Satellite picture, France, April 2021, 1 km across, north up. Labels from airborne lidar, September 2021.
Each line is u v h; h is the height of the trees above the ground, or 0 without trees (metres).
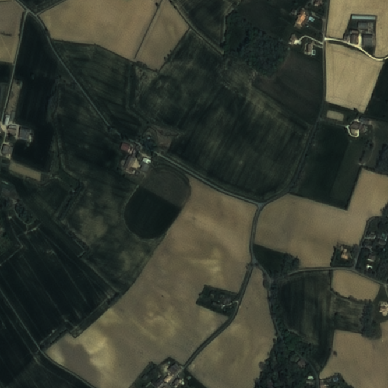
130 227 0
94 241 0
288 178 0
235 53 14
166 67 0
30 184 0
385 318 0
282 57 21
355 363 0
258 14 0
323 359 0
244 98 0
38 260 0
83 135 0
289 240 0
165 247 0
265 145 0
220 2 0
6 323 0
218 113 0
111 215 0
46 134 0
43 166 0
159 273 0
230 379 0
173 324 0
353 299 12
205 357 0
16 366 0
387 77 0
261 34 18
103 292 0
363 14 0
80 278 0
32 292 0
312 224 0
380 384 0
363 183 0
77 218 0
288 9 0
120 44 0
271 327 0
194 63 0
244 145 0
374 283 0
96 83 0
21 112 0
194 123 0
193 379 0
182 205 0
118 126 0
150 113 0
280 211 0
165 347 0
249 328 0
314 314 0
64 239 0
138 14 0
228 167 0
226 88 0
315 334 0
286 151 0
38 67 0
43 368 0
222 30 0
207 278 0
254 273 0
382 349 0
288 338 16
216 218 0
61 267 0
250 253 0
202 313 0
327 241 0
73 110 0
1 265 0
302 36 0
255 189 0
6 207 12
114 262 0
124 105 0
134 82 0
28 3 0
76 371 0
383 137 0
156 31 0
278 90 0
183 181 0
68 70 0
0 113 0
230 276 0
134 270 0
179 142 0
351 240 0
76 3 0
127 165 0
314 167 0
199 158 0
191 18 0
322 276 0
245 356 0
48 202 0
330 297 0
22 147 0
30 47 0
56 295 0
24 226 0
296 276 0
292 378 9
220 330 0
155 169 0
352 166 0
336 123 6
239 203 0
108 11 0
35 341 0
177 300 0
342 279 0
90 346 0
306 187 0
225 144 0
